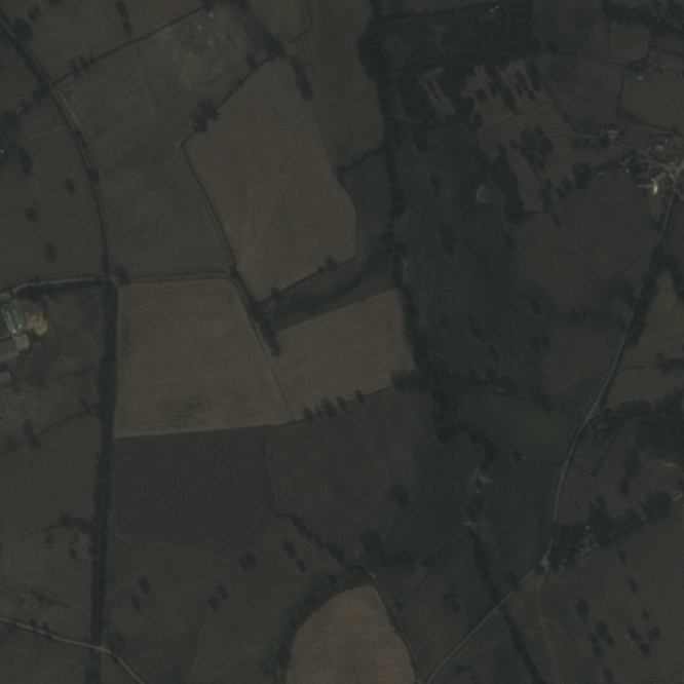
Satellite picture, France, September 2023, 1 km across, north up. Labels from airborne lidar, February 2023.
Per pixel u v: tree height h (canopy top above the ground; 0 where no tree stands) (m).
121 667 0
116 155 0
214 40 0
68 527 9
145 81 0
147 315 0
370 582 0
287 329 0
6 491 0
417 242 0
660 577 0
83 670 0
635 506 0
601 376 0
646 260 0
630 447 0
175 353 0
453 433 11
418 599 0
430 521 0
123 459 0
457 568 0
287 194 0
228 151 0
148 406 0
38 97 12
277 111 0
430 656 0
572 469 0
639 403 0
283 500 0
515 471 0
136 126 0
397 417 0
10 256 0
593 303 0
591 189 0
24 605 0
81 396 0
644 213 0
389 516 0
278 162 0
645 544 0
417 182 0
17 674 0
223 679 0
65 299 0
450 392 0
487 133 0
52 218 0
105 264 14
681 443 16
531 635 0
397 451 0
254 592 0
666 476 0
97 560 5
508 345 0
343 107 0
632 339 14
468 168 0
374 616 0
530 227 0
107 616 0
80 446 0
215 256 0
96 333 0
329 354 0
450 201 0
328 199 0
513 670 0
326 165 0
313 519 0
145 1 0
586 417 0
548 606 0
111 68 0
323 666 0
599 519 12
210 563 0
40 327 0
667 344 0
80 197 0
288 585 0
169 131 0
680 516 0
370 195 0
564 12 0
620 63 0
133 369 0
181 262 0
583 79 0
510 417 0
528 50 7
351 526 0
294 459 0
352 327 0
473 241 0
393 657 0
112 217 0
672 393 0
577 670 0
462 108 13
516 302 0
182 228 0
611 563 0
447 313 0
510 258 0
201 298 0
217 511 0
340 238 0
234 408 0
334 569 0
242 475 0
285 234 0
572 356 0
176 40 0
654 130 0
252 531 0
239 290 0
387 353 0
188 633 0
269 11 0
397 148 0
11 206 0
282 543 0
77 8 0
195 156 0
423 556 0
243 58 0
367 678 0
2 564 0
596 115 0
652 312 0
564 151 0
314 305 0
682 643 0
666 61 0
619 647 0
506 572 0
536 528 0
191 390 0
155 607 0
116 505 0
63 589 0
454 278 0
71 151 0
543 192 10
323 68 0
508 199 6
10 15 0
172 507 0
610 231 0
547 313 0
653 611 0
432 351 0
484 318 0
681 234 0
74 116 0
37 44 0
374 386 0
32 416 0
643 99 0
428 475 0
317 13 0
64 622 0
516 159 0
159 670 0
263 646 0
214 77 0
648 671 0
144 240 0
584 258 0
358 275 0
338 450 0
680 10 11
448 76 12
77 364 0
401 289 12
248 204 0
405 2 0
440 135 0
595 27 0
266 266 0
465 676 0
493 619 0
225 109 0
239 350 0
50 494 0
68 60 0
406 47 0
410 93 25
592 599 0
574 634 0
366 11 0
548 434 0
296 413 0
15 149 0
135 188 0
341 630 0
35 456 0
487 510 0
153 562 0
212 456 0
